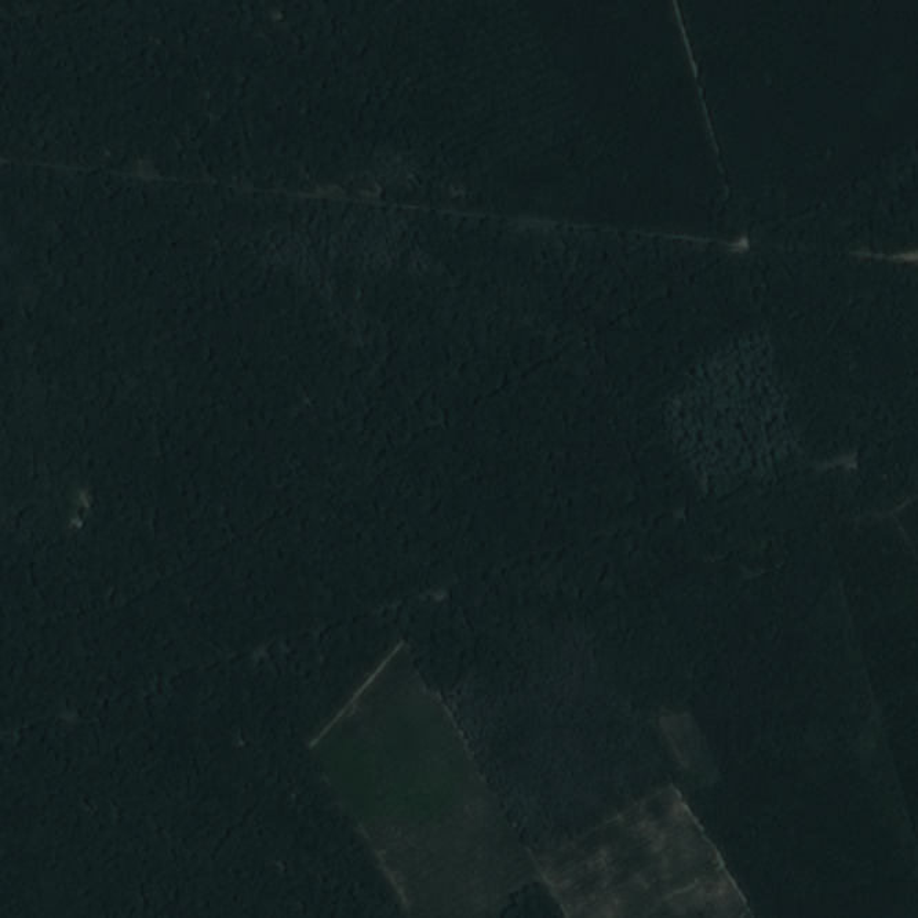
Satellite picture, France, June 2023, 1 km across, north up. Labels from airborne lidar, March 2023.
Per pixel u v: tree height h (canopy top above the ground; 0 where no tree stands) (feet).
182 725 84
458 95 58
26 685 78
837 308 68
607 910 0
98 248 75
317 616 66
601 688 65
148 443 88
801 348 72
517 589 75
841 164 35
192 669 65
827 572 38
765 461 113
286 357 72
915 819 23
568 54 51
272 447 75
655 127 50
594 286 82
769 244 63
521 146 62
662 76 45
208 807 74
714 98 43
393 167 84
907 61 57
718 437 105
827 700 39
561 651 61
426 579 66
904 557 18
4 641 70
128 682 76
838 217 51
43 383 74
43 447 58
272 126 77
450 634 71
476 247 80
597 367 76
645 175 47
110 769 79
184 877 64
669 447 66
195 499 74
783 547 21
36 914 68
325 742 0
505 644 73
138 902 78
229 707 81
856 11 47
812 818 42
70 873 72
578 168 26
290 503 73
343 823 70
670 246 41
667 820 0
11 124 72
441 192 69
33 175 37
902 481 62
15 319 71
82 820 69
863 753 50
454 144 59
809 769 36
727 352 79
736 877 42
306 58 81
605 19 43
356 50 89
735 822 45
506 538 73
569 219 47
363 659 71
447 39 49
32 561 95
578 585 84
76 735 77
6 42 90
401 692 0
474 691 55
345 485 59
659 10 43
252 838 68
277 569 85
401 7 45
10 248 69
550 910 89
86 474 76
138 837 71
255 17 66
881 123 49
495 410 81
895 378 64
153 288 82
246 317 74
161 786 80
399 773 0
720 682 35
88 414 87
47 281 58
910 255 63
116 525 83
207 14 76
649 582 70
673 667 67
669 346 68
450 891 0
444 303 72
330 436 75
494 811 0
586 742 65
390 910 72
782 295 76
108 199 78
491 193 35
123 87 78
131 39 78
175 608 72
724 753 34
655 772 63
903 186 70
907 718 21
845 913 51
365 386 78
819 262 64
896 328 66
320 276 62
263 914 77
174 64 64
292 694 67
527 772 61
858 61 40
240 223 71
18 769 73
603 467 72
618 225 37
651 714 47
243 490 81
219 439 89
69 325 82
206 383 80
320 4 85
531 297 76
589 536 75
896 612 26
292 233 43
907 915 53
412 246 80
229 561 71
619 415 73
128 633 60
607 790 61
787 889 46
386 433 79
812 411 77
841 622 52
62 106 85
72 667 75
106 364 87
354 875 74
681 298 70
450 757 0
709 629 52
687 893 0
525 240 70
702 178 43
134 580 82
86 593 91
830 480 65
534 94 54
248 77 62
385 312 73
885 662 24
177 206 74
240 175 67
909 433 70
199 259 77
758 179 46
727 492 72
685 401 96
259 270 79
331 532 57
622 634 57
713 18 41
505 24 57
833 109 46
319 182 64
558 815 60
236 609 73
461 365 69
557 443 57
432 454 77
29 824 76
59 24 76
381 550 69
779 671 38
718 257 71
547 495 65
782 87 45
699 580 35
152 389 84
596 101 54
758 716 40
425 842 0
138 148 77
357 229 76
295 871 71
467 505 73
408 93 71
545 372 73
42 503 67
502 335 86
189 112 84
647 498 79
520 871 0
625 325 77
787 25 38
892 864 47
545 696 62
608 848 0
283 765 75
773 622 40
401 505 79
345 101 80
